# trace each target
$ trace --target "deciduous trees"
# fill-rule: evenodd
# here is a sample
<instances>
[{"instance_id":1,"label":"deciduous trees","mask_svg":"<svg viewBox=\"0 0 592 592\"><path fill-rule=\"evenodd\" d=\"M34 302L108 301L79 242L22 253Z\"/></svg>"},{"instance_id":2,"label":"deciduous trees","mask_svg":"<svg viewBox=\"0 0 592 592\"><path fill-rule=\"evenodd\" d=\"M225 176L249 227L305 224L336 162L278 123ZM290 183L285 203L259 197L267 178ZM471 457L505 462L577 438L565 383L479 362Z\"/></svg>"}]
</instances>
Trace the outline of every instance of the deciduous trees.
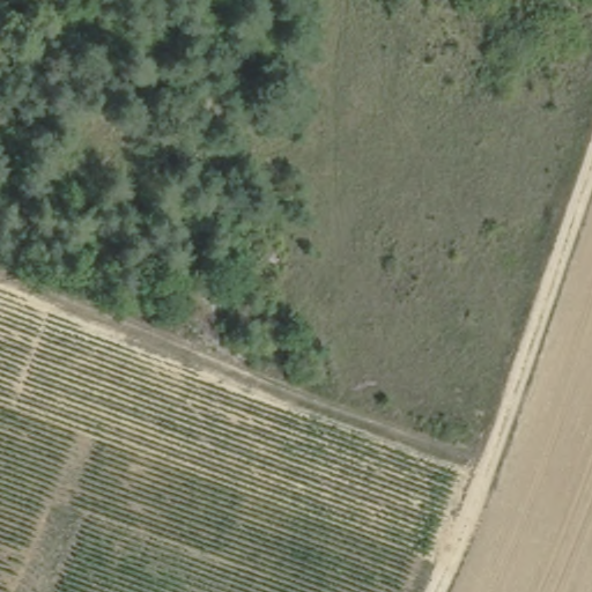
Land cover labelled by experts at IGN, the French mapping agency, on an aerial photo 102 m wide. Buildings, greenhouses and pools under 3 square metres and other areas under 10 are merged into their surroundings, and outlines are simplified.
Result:
<instances>
[{"instance_id":1,"label":"deciduous trees","mask_svg":"<svg viewBox=\"0 0 592 592\"><path fill-rule=\"evenodd\" d=\"M315 326L310 326L298 333L289 333L284 338L284 349L303 349L310 347L315 340L317 331Z\"/></svg>"},{"instance_id":2,"label":"deciduous trees","mask_svg":"<svg viewBox=\"0 0 592 592\"><path fill-rule=\"evenodd\" d=\"M215 319L215 312L220 308L236 310L247 294L257 289L259 273L252 254L250 243L247 247L238 247L236 261L222 257L213 261L210 271L194 275L187 273L185 278L169 266L169 278L162 284L162 296L167 296L164 303L141 303L139 317L146 324L171 328L176 335L187 340L204 338L213 331L210 324Z\"/></svg>"}]
</instances>

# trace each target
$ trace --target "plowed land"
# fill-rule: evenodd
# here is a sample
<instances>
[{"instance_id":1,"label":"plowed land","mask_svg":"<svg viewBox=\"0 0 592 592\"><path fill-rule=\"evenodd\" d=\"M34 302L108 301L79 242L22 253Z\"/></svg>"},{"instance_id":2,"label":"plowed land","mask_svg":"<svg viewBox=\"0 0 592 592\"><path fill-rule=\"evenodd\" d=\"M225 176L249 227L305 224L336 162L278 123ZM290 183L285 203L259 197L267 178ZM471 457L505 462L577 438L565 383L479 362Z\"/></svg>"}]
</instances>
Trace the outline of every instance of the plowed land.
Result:
<instances>
[{"instance_id":1,"label":"plowed land","mask_svg":"<svg viewBox=\"0 0 592 592\"><path fill-rule=\"evenodd\" d=\"M571 252L567 257L553 305L548 310L541 340L530 375L525 379L509 435L497 458L481 513L476 518L476 525L469 534L469 541L463 550L463 557L456 567L456 574L446 592L592 592L592 192L587 197Z\"/></svg>"}]
</instances>

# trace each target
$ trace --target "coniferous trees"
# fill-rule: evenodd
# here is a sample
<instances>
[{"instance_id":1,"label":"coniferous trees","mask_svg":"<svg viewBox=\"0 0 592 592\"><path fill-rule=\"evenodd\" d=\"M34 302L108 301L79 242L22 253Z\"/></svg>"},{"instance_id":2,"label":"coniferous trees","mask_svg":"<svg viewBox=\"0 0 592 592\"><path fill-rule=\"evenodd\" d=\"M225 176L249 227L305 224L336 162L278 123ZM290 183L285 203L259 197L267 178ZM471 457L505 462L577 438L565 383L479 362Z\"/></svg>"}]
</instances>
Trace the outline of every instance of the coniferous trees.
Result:
<instances>
[{"instance_id":1,"label":"coniferous trees","mask_svg":"<svg viewBox=\"0 0 592 592\"><path fill-rule=\"evenodd\" d=\"M264 370L266 375L280 372L282 379L289 382L298 372L301 363L310 358L310 352L321 352L321 342L315 340L310 347L303 349L284 349L284 338L289 333L298 333L310 326L298 317L291 317L289 305L273 301L273 264L259 273L257 289L247 294L236 310L220 308L215 312L215 319L210 324L213 331L217 340L231 349L231 354L243 356L247 370Z\"/></svg>"},{"instance_id":2,"label":"coniferous trees","mask_svg":"<svg viewBox=\"0 0 592 592\"><path fill-rule=\"evenodd\" d=\"M213 261L222 257L236 261L238 247L247 247L250 243L252 254L261 252L266 243L271 243L282 231L282 224L287 220L301 227L310 224L310 213L305 210L303 201L301 176L291 169L287 160L278 155L287 148L289 141L301 141L305 134L305 125L315 120L315 88L308 79L301 79L301 74L308 72L315 62L326 60L326 53L321 51L324 14L319 7L326 0L0 0L0 268L7 273L9 280L19 282L25 291L35 296L44 298L49 291L60 291L67 296L86 298L97 310L109 312L113 317L113 324L139 317L141 303L164 303L167 296L162 296L162 284L169 278L169 266L185 278L187 273L194 275L210 271Z\"/></svg>"}]
</instances>

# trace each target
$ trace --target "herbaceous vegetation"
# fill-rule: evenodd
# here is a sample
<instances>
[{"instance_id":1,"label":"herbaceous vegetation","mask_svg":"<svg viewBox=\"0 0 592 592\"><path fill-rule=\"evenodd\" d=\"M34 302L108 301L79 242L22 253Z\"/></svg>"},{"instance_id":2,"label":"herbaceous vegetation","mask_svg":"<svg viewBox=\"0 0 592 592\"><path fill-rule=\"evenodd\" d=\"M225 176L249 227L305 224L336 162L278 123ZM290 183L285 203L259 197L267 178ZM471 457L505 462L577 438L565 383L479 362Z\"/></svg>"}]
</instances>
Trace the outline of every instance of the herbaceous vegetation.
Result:
<instances>
[{"instance_id":1,"label":"herbaceous vegetation","mask_svg":"<svg viewBox=\"0 0 592 592\"><path fill-rule=\"evenodd\" d=\"M79 495L79 479L95 446L90 432L79 432L74 437L51 493L42 502L42 511L37 513L30 543L0 543L0 592L56 592L56 583L65 574L65 564L72 555L72 548L76 546L83 520L88 518L88 509L72 504L69 495Z\"/></svg>"},{"instance_id":2,"label":"herbaceous vegetation","mask_svg":"<svg viewBox=\"0 0 592 592\"><path fill-rule=\"evenodd\" d=\"M465 21L456 21L456 12L449 0L326 0L319 7L324 14L321 51L326 53L326 60L315 62L308 72L301 74L301 79L308 79L315 88L315 120L305 125L305 134L301 141L289 141L287 148L278 155L287 160L291 169L301 176L303 201L305 210L310 213L310 224L301 227L287 220L282 224L282 231L271 243L266 243L261 252L252 254L259 273L273 264L273 301L289 305L291 317L298 317L310 326L315 326L317 331L315 340L321 342L321 352L310 352L310 358L301 363L298 372L289 382L324 400L347 405L356 412L379 416L384 421L412 428L416 432L428 432L437 439L469 444L474 435L486 432L488 437L534 298L539 294L546 264L550 259L557 231L562 227L587 143L592 139L592 30L590 53L583 60L550 62L548 67L539 67L527 76L525 83L511 74L511 88L502 97L486 93L479 99L467 99L465 93L469 90L469 81L474 79L469 60L479 56L483 25L476 21L472 9L465 14Z\"/></svg>"}]
</instances>

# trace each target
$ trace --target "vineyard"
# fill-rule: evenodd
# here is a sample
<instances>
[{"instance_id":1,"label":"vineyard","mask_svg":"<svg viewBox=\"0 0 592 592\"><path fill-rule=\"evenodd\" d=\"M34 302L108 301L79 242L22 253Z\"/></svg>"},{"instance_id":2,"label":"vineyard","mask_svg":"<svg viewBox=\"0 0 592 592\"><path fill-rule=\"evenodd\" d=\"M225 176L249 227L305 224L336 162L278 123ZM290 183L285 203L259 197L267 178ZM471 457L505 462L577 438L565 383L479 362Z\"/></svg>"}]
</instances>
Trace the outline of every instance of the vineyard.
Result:
<instances>
[{"instance_id":1,"label":"vineyard","mask_svg":"<svg viewBox=\"0 0 592 592\"><path fill-rule=\"evenodd\" d=\"M67 296L60 291L49 291L44 298L35 296L25 291L19 282L9 280L7 273L0 268L0 543L30 543L37 513L42 511L42 502L51 493L74 437L79 432L90 432L95 446L79 479L79 495L69 495L72 504L88 509L88 518L83 520L76 546L72 548L72 555L65 564L65 574L56 583L56 592L426 592L435 569L430 564L428 550L432 548L439 520L453 520L460 516L488 437L486 432L474 435L469 444L437 439L428 432L416 432L412 428L384 421L379 416L356 412L347 405L324 400L289 382L282 379L280 372L266 375L264 370L247 370L243 356L231 354L231 349L217 340L213 331L204 338L187 340L176 335L171 328L146 324L139 317L113 324L113 317L109 312L97 310L86 298Z\"/></svg>"}]
</instances>

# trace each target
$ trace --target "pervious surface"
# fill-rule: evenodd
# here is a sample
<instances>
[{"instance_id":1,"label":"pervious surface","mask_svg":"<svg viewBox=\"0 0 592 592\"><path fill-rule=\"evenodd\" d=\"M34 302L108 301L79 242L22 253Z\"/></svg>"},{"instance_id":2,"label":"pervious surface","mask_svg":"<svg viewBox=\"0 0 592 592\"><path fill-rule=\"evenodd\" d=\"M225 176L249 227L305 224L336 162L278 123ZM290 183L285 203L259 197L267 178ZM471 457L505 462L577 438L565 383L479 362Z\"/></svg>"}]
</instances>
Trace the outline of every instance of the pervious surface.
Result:
<instances>
[{"instance_id":1,"label":"pervious surface","mask_svg":"<svg viewBox=\"0 0 592 592\"><path fill-rule=\"evenodd\" d=\"M530 375L541 340L548 310L553 305L567 257L571 252L587 197L592 192L592 139L587 143L562 227L557 231L550 259L546 264L539 294L534 298L488 437L460 516L453 520L439 520L432 548L428 550L430 564L435 569L426 592L446 592L456 574L456 567L463 557L463 550L469 541L469 534L476 525L476 518L481 513L497 458L509 435L525 379Z\"/></svg>"}]
</instances>

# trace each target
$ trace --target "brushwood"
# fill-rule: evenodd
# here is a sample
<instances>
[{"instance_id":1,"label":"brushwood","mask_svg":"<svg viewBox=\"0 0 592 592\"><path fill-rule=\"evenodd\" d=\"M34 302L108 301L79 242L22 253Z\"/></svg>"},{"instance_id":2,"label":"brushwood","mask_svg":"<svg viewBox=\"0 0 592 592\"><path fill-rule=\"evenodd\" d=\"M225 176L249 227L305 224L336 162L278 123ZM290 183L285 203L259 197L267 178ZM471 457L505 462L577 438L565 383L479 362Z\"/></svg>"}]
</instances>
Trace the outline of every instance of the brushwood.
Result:
<instances>
[{"instance_id":1,"label":"brushwood","mask_svg":"<svg viewBox=\"0 0 592 592\"><path fill-rule=\"evenodd\" d=\"M548 67L550 62L583 60L590 53L592 30L592 0L449 0L456 12L456 21L465 21L465 14L472 9L476 21L483 25L479 56L469 60L474 79L469 81L469 90L465 93L467 99L479 99L486 93L502 97L511 88L511 74L525 83L527 76L539 67Z\"/></svg>"}]
</instances>

